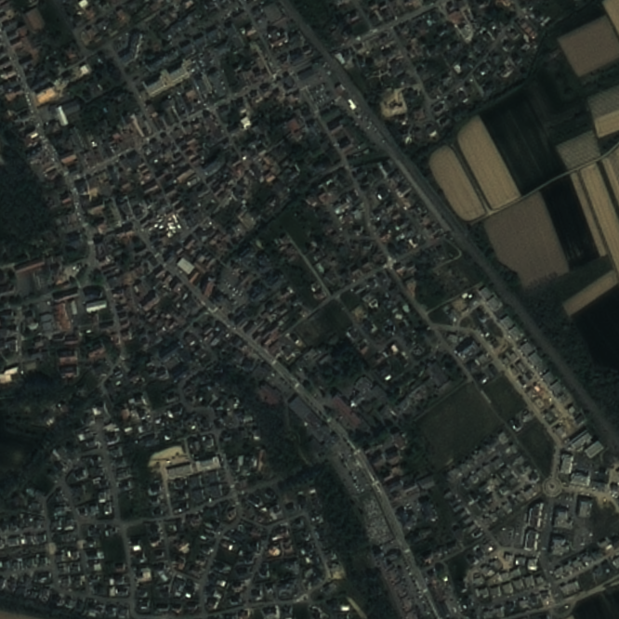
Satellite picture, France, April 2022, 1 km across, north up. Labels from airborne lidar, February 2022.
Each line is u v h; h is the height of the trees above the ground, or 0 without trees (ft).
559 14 0
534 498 0
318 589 0
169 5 0
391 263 0
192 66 0
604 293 0
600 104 0
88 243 0
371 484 0
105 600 0
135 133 0
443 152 0
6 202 66
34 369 0
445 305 0
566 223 0
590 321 0
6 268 0
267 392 0
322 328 0
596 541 0
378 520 0
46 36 48
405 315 27
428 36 0
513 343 0
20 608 78
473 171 0
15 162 68
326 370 45
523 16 0
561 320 20
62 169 0
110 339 20
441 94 0
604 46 0
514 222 0
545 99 0
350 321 0
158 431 0
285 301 0
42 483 0
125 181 0
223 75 0
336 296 0
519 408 0
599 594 0
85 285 0
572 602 0
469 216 0
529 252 0
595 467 0
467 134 0
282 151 28
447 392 0
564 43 0
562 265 0
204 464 0
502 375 0
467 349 0
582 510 0
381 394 0
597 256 0
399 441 0
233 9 0
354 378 27
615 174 0
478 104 35
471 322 0
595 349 0
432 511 0
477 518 0
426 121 0
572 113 0
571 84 0
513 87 20
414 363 0
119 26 0
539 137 0
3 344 0
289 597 31
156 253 0
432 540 20
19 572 0
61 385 72
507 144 0
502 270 19
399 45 0
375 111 28
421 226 0
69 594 0
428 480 0
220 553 0
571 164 0
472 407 0
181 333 32
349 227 0
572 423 0
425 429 0
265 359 0
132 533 0
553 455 0
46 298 0
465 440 0
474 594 0
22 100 0
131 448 47
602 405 52
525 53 25
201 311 22
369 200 0
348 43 0
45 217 47
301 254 0
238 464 0
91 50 0
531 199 0
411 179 0
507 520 0
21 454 0
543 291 44
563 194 0
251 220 0
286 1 0
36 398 78
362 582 77
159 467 0
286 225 0
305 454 0
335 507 73
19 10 0
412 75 0
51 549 0
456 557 0
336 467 0
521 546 0
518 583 0
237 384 80
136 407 0
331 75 0
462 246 0
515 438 0
